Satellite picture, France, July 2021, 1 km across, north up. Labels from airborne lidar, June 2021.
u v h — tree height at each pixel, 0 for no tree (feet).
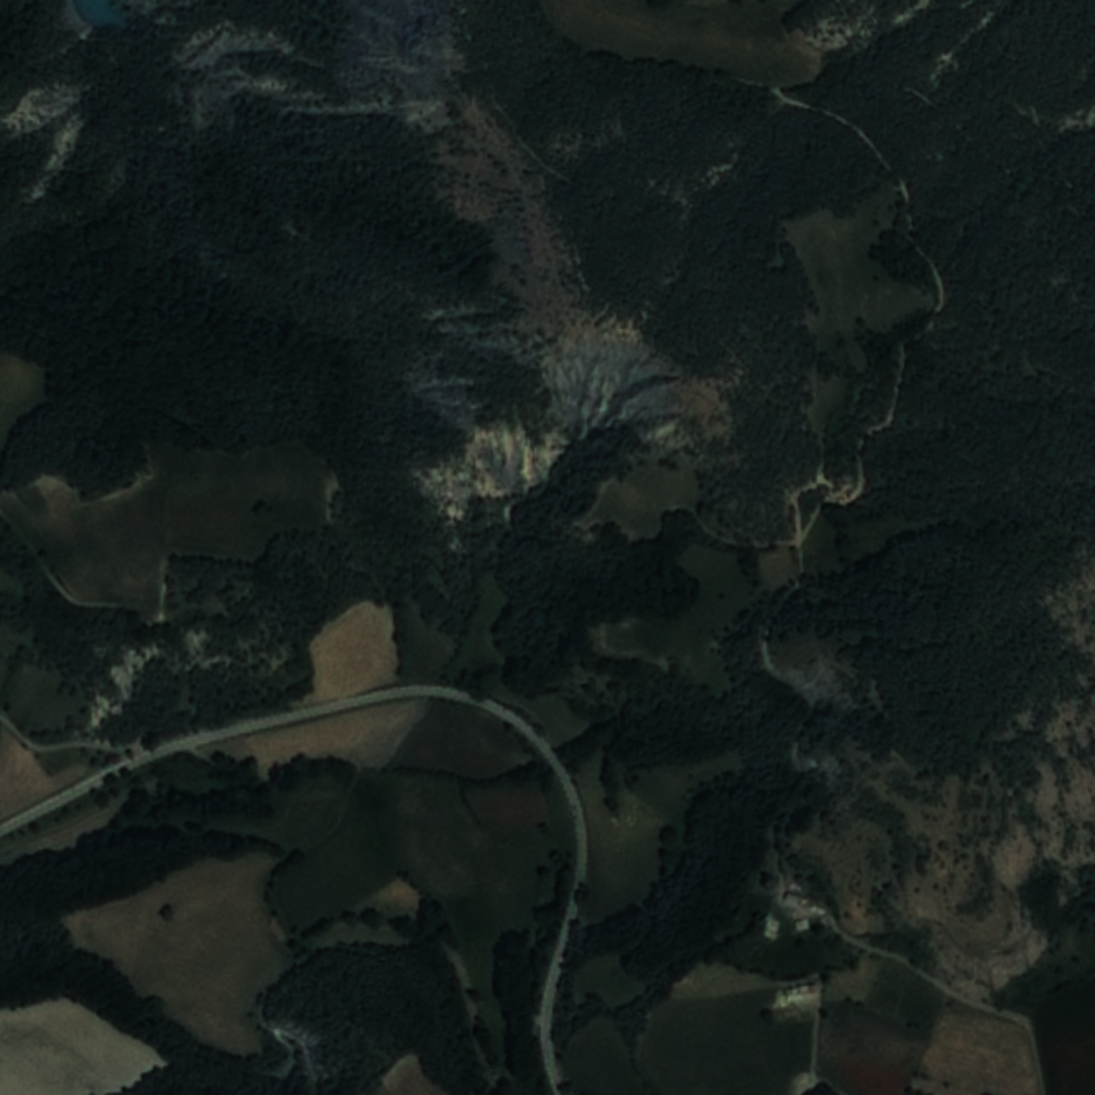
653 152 22
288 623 31
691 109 27
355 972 40
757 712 31
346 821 0
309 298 33
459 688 26
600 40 0
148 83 31
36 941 30
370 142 26
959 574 42
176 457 0
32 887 73
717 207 24
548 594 52
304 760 43
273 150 39
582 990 0
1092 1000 0
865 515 49
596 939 53
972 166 31
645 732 63
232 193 37
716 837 47
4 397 0
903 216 30
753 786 69
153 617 0
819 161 38
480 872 0
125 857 94
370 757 0
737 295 33
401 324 30
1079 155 39
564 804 0
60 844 0
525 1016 73
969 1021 0
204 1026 0
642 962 51
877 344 38
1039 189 28
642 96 23
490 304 22
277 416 49
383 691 0
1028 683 31
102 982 92
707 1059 0
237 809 53
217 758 42
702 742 73
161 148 37
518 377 22
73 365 61
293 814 0
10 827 0
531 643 50
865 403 29
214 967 0
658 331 23
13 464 35
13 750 0
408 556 29
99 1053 0
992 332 30
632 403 0
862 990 0
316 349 69
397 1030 46
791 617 36
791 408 29
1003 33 26
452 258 47
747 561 37
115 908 0
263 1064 35
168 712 37
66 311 63
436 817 0
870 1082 0
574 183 24
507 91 28
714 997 0
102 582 0
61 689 20
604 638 0
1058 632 19
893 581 38
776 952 0
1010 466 38
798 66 0
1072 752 30
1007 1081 0
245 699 30
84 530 0
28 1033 0
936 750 36
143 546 0
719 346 22
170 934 0
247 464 0
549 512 29
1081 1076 0
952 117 31
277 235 36
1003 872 0
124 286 70
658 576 84
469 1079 72
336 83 20
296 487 0
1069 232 31
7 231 19
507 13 26
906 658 47
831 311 0
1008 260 35
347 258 30
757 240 38
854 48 21
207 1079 43
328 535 26
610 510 0
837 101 32
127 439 65
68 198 38
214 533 0
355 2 0
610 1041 0
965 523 58
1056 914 20
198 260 24
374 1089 31
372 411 29
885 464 30
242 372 56
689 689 37
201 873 0
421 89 0
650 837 0
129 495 0
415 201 27
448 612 24
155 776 25
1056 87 30
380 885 0
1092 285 35
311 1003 37
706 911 60
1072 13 29
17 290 70
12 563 35
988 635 33
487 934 0
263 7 24
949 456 43
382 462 25
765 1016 33
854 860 0
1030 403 43
